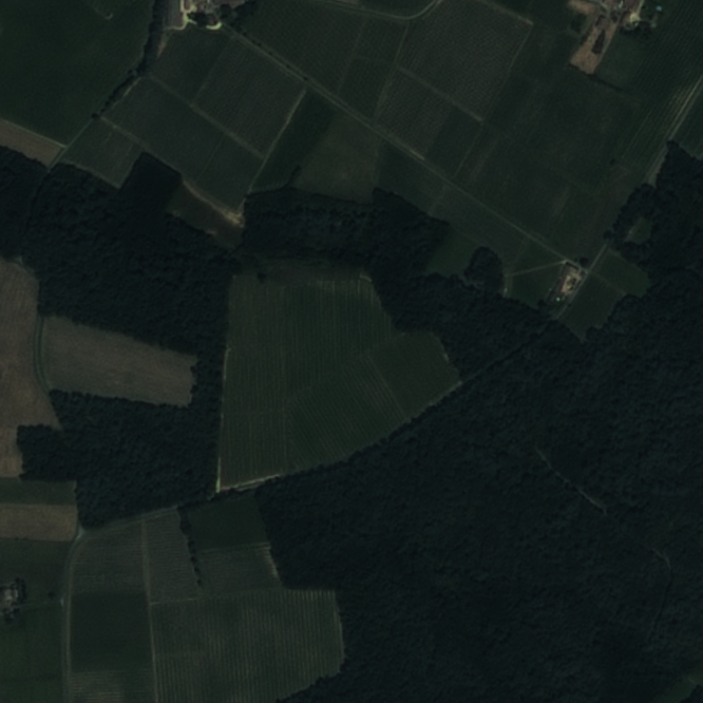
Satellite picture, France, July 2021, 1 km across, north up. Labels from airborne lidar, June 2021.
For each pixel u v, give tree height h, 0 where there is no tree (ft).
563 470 43
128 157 0
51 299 45
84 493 74
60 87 0
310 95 0
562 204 0
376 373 0
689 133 0
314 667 0
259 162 0
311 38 0
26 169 79
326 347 0
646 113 0
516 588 37
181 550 0
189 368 0
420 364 0
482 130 0
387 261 70
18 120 0
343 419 0
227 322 42
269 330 0
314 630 0
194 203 0
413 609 73
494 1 0
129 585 0
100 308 52
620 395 61
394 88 0
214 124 0
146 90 0
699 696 62
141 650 0
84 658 0
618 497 52
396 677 82
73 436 38
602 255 0
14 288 0
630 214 56
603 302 0
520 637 90
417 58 0
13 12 0
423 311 91
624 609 79
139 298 81
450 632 76
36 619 0
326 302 0
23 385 0
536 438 64
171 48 0
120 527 0
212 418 45
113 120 0
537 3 0
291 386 0
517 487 42
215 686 0
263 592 0
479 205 0
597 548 64
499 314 77
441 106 0
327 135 0
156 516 0
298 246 25
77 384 0
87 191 89
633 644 67
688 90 0
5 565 0
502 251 0
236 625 0
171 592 0
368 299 0
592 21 0
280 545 58
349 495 74
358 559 55
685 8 0
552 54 0
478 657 84
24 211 70
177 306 28
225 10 34
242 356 0
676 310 77
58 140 0
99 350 0
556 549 46
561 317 0
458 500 65
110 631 0
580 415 60
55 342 0
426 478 58
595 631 75
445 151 0
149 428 59
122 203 24
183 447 74
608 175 0
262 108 0
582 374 62
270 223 54
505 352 69
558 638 78
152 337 57
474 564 42
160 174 42
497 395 54
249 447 0
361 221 60
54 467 60
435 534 79
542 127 0
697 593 52
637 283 0
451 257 0
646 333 43
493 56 0
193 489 53
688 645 60
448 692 69
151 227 43
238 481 0
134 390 0
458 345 72
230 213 0
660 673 64
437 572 77
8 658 0
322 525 55
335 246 17
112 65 0
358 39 0
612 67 0
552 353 62
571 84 0
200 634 0
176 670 0
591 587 44
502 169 0
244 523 0
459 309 61
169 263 51
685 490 87
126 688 0
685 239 58
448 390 0
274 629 0
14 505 0
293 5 0
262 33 0
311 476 57
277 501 65
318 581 60
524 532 47
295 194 20
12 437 0
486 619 49
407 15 0
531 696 74
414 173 0
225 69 0
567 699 77
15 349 0
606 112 0
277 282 0
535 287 0
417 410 0
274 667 0
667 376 63
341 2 0
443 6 0
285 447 0
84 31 0
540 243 0
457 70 0
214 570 0
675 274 78
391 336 0
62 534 0
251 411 0
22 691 0
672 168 62
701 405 89
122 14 0
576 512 51
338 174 0
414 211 34
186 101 0
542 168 0
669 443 43
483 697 61
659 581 53
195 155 0
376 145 0
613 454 60
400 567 76
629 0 0
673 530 42
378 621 61
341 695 71
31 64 0
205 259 80
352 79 0
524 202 0
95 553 0
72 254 62
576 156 0
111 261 78
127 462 57
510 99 0
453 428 61
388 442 49
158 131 0
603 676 57
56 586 0
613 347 72
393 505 74
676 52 0
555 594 58
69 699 0
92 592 0
